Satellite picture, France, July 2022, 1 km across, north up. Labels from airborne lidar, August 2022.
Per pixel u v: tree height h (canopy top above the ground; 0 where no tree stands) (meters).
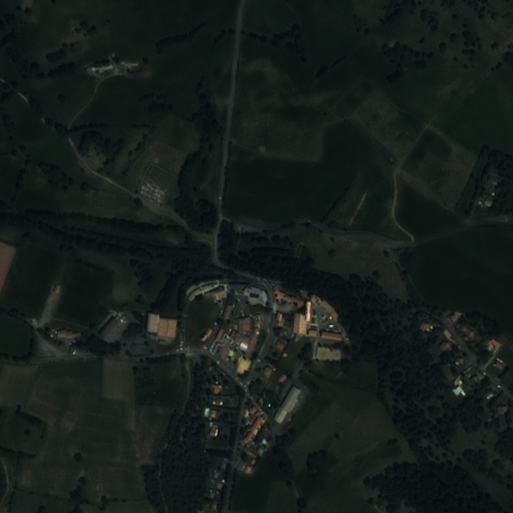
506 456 6
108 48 0
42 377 0
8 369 0
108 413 0
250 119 0
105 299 0
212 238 0
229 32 14
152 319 0
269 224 0
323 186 0
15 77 0
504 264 0
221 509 11
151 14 0
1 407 0
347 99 0
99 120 0
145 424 0
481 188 9
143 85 0
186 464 8
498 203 15
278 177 0
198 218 15
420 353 15
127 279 0
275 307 0
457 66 0
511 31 0
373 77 0
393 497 12
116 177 0
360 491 0
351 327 12
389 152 0
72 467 0
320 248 0
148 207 0
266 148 0
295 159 0
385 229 0
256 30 0
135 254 19
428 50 0
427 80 0
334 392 0
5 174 0
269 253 14
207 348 0
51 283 0
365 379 0
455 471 17
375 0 0
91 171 0
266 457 0
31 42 0
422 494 25
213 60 0
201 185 0
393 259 0
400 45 14
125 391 0
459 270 0
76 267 0
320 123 0
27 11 15
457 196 0
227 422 7
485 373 0
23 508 0
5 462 0
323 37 0
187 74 0
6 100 17
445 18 0
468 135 0
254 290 0
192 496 12
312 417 0
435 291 0
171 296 16
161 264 0
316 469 19
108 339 0
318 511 0
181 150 0
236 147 0
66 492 0
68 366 0
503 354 0
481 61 0
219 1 0
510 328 0
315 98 0
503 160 10
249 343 0
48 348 0
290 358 0
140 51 0
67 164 0
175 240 0
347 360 17
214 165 0
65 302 0
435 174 0
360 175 0
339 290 17
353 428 0
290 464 22
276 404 12
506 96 0
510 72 0
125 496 0
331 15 0
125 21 0
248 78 0
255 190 0
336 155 0
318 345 11
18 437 0
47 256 0
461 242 0
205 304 0
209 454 15
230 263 18
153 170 0
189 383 0
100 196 0
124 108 0
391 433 0
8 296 0
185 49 0
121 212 0
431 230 0
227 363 0
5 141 0
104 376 0
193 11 0
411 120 0
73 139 0
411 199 0
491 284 0
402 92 0
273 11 0
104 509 8
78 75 0
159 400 0
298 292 11
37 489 0
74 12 0
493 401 13
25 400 0
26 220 25
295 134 0
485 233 0
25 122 0
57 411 0
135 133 0
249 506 0
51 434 0
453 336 0
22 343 0
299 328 0
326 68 12
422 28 0
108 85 0
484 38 0
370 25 0
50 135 0
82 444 0
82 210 0
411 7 10
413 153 0
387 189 0
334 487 0
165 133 0
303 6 0
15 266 0
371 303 20
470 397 12
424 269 0
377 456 0
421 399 12
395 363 20
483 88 0
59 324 0
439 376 20
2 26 23
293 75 0
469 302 0
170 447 7
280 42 18
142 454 0
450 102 0
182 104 0
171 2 0
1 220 19
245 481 0
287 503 0
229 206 0
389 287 0
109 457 0
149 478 11
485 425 14
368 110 0
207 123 18
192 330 0
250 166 0
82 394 0
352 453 0
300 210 0
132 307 0
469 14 0
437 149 0
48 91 0
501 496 0
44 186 0
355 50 0
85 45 0
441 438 13
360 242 0
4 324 0
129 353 12
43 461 0
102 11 0
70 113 0
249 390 10
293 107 0
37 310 0
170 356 7
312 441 0
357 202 0
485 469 13
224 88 0
